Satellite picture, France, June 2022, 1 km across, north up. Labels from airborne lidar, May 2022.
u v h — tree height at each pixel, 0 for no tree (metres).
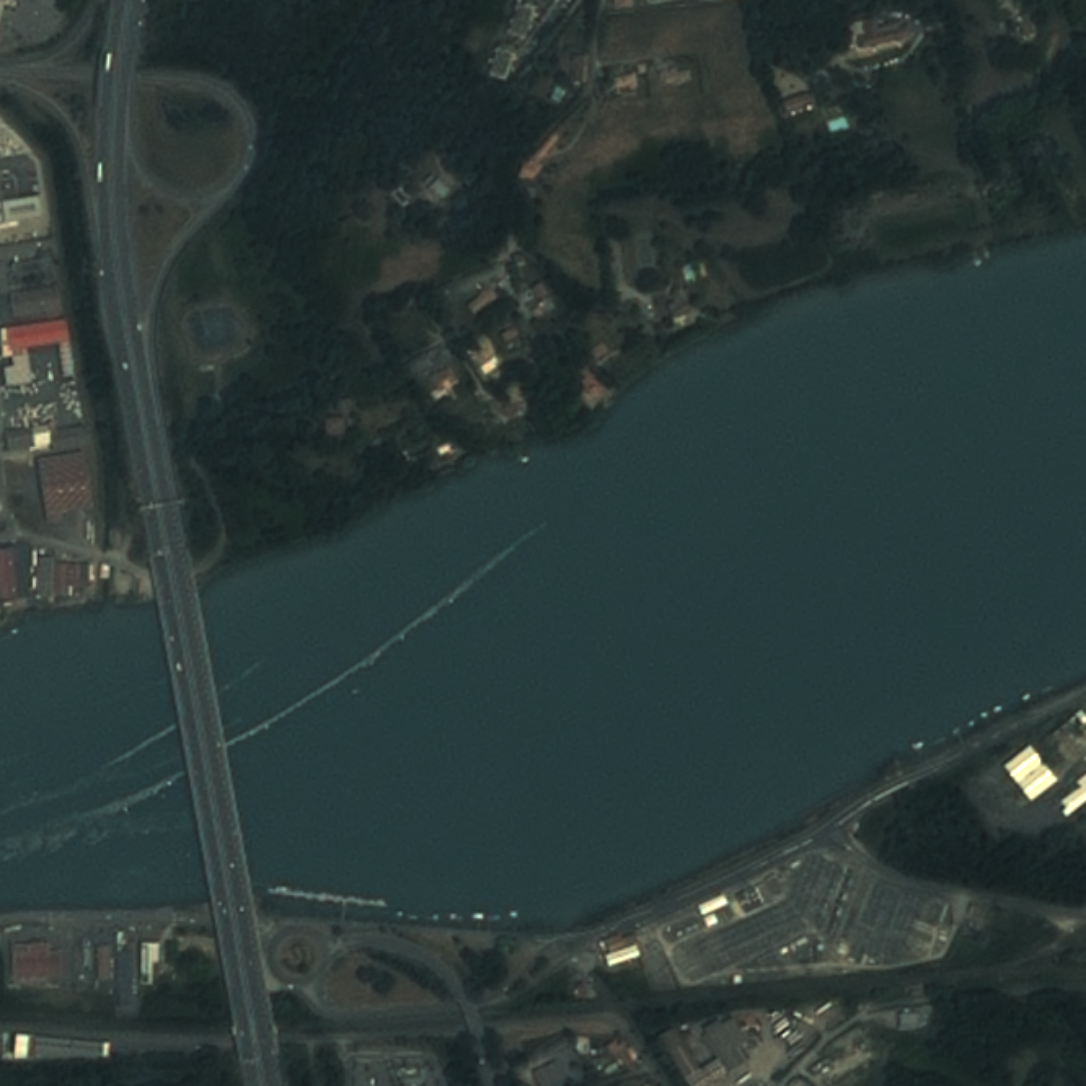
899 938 0
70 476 0
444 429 21
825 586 0
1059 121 0
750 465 0
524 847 0
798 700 0
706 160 16
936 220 0
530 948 0
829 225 15
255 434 15
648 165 0
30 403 0
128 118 0
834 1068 0
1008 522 0
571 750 0
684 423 0
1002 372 0
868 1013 0
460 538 0
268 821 0
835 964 0
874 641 0
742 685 0
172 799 0
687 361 0
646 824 0
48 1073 13
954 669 0
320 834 0
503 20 6
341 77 20
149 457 0
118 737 0
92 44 9
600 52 0
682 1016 16
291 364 0
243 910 0
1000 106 27
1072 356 0
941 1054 11
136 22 0
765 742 0
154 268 0
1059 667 0
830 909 0
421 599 0
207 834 0
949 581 0
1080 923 0
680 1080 8
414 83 20
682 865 0
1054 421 0
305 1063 7
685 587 0
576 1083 10
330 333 17
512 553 0
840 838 0
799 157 22
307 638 0
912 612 0
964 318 0
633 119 0
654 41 0
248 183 12
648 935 0
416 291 8
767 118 0
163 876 0
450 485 0
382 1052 0
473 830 0
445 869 0
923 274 0
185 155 0
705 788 0
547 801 0
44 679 0
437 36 21
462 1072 15
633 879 0
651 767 0
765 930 0
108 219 0
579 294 14
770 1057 0
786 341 0
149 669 0
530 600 0
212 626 0
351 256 0
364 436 7
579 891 0
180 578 0
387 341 17
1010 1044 14
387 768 0
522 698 0
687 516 0
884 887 0
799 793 0
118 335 0
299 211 18
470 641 0
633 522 0
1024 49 16
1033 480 0
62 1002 0
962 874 17
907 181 27
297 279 18
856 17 9
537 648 0
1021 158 6
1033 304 0
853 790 0
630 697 0
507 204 21
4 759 0
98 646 0
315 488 15
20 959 0
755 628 0
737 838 0
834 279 7
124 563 0
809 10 35
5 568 0
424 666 0
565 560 0
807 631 0
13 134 0
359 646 0
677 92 0
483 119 23
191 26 20
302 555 0
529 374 18
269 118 22
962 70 23
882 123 5
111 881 0
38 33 0
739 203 15
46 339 0
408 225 11
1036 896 7
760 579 0
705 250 10
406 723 0
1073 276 0
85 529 0
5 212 0
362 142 29
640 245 0
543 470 0
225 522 8
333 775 0
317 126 19
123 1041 0
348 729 0
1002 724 0
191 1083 11
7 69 0
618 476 0
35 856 0
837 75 14
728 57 0
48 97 0
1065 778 0
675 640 0
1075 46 8
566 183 0
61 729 0
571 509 0
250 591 0
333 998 0
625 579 0
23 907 0
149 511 0
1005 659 0
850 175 20
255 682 0
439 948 0
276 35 25
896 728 0
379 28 25
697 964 0
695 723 0
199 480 6
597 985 0
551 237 0
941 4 12
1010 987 0
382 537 0
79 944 0
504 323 7
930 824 19
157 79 0
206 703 0
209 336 0
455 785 0
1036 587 0
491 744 0
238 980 0
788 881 0
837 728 0
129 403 0
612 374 22
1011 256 0
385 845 0
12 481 0
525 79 6
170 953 6
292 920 0
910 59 8
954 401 0
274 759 0
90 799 0
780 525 0
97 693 0
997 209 10
